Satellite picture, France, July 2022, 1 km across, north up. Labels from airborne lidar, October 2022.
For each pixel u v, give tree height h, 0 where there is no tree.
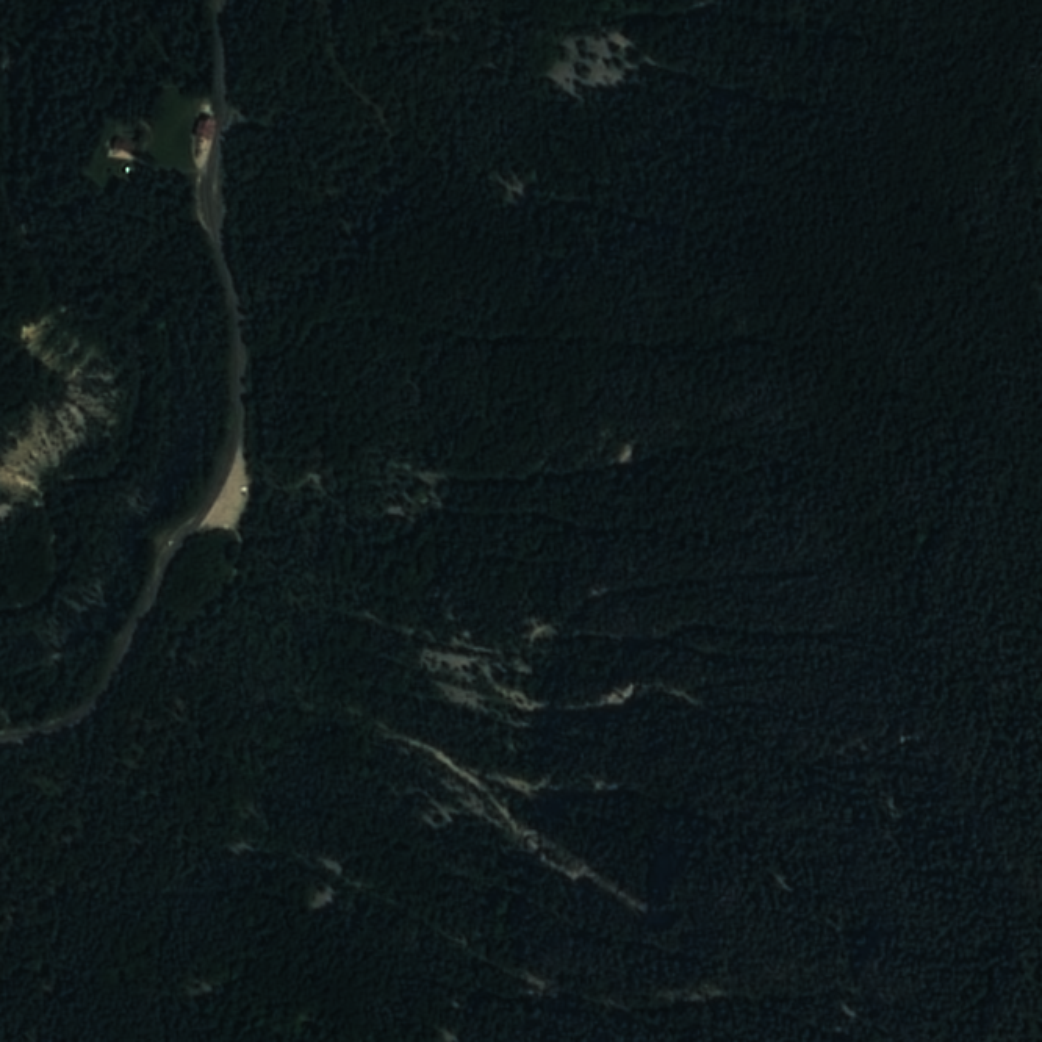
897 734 15
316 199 7
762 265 28
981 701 9
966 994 15
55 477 7
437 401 19
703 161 18
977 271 14
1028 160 15
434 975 9
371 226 30
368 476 8
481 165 14
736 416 13
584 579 14
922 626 16
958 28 18
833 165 22
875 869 16
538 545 16
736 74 13
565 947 13
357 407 19
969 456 12
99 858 25
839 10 17
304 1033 11
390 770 10
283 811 12
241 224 12
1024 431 12
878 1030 7
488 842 8
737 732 17
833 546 11
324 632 9
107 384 7
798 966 9
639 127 17
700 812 10
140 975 23
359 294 22
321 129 14
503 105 22
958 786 10
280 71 18
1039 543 18
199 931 21
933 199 19
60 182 15
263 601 17
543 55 12
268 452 19
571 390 20
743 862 24
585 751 12
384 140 22
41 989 22
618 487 14
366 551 23
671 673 13
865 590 15
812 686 11
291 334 18
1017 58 17
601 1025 20
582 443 10
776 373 17
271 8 24
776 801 18
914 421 19
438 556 13
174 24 28
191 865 14
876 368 16
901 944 22
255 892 20
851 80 15
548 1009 17
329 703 6
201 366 18
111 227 22
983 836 15
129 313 24
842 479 22
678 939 9
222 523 0
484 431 18
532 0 15
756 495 16
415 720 12
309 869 6
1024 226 13
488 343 12
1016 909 12
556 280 20
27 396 13
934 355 13
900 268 20
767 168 21
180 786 18
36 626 8
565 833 17
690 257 22
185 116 0
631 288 21
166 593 8
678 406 17
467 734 15
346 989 21
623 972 18
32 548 19
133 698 17
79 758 18
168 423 12
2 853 17
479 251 28
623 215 15
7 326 17
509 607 13
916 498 24
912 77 19
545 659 7
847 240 22
